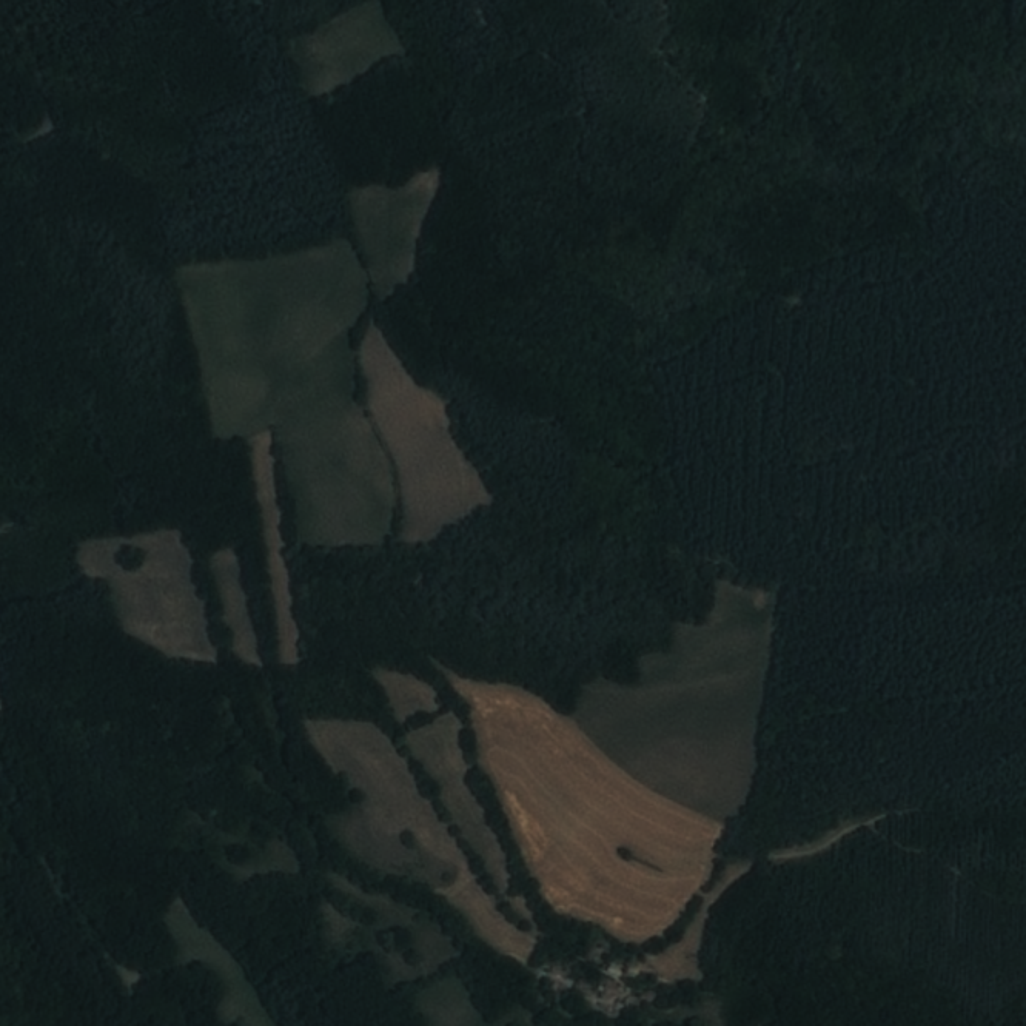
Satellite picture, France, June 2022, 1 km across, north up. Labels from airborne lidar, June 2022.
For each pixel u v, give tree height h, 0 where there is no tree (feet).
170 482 64
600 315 87
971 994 32
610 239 91
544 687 60
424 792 49
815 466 30
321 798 79
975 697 118
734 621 0
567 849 0
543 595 52
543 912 49
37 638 81
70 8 69
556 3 67
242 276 0
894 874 47
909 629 102
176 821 55
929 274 65
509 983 40
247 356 0
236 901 64
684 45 72
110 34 72
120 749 85
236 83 78
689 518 72
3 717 49
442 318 100
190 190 84
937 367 80
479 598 69
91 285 62
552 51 96
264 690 49
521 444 71
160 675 60
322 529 0
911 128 61
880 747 67
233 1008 0
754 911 37
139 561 64
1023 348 70
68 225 71
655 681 0
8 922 58
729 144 57
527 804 0
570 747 0
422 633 37
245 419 0
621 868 0
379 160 60
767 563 67
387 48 0
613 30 72
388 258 0
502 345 62
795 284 68
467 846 30
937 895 34
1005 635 116
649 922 0
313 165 81
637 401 78
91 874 55
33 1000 85
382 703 60
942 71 31
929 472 63
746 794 0
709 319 72
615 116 78
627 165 73
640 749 0
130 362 60
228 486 65
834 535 62
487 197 74
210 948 0
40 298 60
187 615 0
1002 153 64
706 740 0
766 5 72
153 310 76
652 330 81
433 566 50
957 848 38
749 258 67
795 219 67
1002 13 43
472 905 0
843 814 55
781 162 70
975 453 70
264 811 93
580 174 76
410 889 46
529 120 69
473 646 49
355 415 0
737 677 0
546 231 81
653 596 42
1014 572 86
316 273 0
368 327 29
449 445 0
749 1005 22
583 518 66
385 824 0
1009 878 30
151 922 66
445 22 49
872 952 38
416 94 64
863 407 77
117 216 60
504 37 66
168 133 55
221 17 70
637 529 55
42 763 45
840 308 73
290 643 0
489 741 0
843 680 95
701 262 72
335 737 0
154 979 77
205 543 69
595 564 57
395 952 58
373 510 0
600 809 0
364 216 0
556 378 48
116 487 23
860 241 76
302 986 86
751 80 79
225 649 49
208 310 0
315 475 0
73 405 72
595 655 58
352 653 51
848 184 66
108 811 70
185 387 50
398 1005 52
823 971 58
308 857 58
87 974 105
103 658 73
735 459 71
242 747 72
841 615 81
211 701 72
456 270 82
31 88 68
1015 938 33
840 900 34
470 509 0
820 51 76
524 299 77
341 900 51
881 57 43
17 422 80
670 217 73
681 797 0
